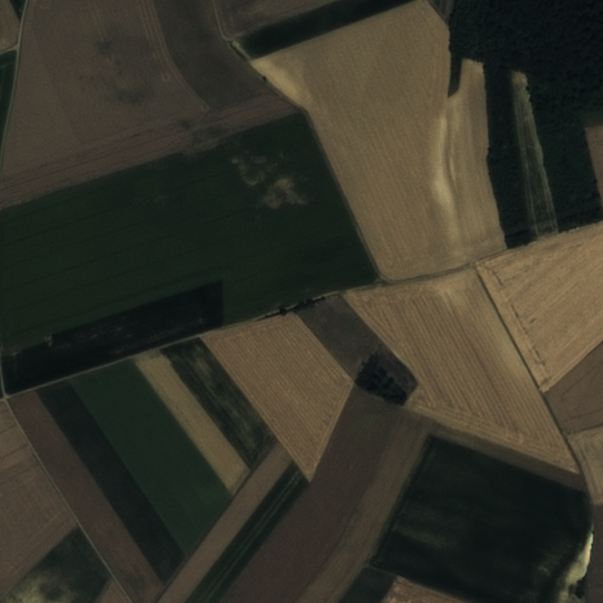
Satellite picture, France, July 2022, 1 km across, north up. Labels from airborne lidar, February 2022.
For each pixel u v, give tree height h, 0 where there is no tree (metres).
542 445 0
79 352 0
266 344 0
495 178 8
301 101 0
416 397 0
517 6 18
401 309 0
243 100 0
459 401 0
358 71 0
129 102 0
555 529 0
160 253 0
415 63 0
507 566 0
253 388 0
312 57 0
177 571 0
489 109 7
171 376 0
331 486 0
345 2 0
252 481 0
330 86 0
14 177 0
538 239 0
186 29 0
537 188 0
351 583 0
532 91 10
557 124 9
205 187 0
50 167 0
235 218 0
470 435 0
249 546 0
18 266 0
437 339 0
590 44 19
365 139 0
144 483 0
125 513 0
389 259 0
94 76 0
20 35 0
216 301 0
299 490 0
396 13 0
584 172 7
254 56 0
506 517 0
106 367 0
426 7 0
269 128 0
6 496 0
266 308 0
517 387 0
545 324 0
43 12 0
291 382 0
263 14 0
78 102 0
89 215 0
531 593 0
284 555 0
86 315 0
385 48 0
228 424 0
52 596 0
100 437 0
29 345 0
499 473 0
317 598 0
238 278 0
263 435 0
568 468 0
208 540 0
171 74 0
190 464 0
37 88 0
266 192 0
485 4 10
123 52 0
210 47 0
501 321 0
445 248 0
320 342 0
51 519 0
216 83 0
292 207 0
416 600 0
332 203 0
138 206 0
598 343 0
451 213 0
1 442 0
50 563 0
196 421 0
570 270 0
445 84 0
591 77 21
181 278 0
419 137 0
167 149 0
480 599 0
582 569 0
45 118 0
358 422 0
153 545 0
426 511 0
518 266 0
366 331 0
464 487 0
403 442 0
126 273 0
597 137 0
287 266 0
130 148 0
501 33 18
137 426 0
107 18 0
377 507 0
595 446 0
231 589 0
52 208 0
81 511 0
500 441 0
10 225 0
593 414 0
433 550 0
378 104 0
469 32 11
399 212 0
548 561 0
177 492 0
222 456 0
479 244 0
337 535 0
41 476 0
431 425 0
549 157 6
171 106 0
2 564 0
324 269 0
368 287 0
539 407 0
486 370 0
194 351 0
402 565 0
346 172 0
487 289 0
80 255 0
